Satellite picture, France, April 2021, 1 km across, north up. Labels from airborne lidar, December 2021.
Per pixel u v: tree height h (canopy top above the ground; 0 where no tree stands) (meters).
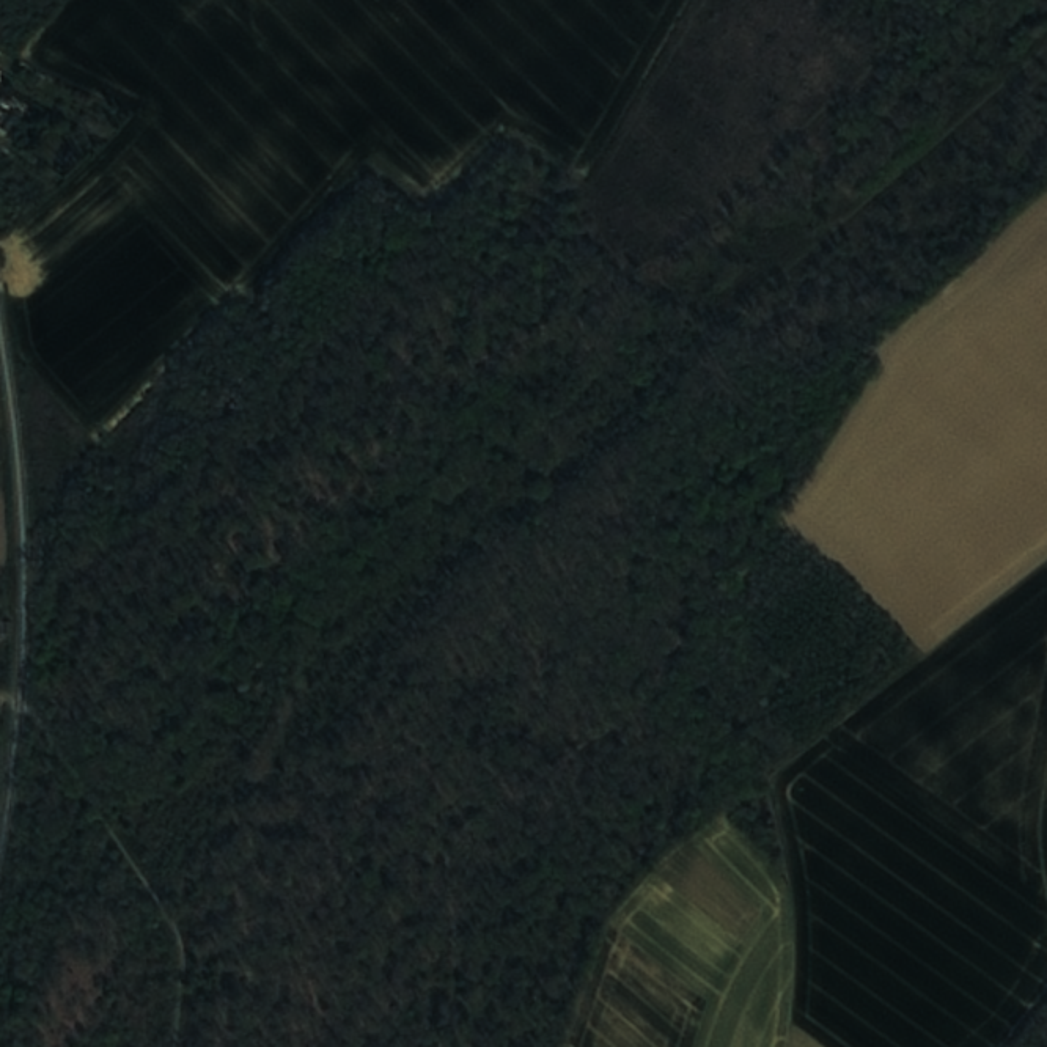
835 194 27
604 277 23
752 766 27
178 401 19
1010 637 0
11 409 0
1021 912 0
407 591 12
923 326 0
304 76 0
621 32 0
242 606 29
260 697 25
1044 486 0
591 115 0
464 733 26
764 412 23
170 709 29
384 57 0
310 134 0
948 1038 0
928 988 0
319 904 27
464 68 0
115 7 0
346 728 30
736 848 0
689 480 24
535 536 30
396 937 27
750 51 0
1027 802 0
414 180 0
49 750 19
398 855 28
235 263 0
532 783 33
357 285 28
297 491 28
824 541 0
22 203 15
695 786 30
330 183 0
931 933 0
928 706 0
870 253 0
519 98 0
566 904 31
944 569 0
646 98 0
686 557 28
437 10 0
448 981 13
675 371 28
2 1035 11
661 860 24
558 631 27
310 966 28
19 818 20
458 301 26
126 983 10
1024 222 0
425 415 24
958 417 0
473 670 24
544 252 30
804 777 0
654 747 28
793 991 0
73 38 0
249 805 28
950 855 0
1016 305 0
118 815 17
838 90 0
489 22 0
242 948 28
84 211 0
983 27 26
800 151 25
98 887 14
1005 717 0
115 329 0
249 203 0
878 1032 0
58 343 0
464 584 31
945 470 0
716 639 32
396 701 30
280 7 0
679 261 31
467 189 15
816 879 0
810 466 20
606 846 34
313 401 29
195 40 0
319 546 24
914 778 0
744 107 0
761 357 28
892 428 0
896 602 0
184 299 0
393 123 0
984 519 0
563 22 0
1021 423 0
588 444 29
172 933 8
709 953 0
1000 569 0
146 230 0
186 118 0
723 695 30
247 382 31
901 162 12
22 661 0
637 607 20
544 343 19
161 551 31
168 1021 10
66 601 26
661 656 31
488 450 20
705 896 0
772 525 19
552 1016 30
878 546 0
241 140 0
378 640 12
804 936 0
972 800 0
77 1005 11
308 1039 30
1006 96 0
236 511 23
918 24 19
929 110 23
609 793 32
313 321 25
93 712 29
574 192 13
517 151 17
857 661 20
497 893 29
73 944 25
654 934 0
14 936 22
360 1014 29
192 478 27
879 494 0
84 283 0
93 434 0
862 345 18
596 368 28
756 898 0
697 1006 0
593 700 27
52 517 8
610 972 0
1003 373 0
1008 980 0
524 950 31
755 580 24
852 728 0
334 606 31
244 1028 31
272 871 31
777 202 27
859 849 0
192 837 9
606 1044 0
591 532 24
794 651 24
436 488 29
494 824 30
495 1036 32
